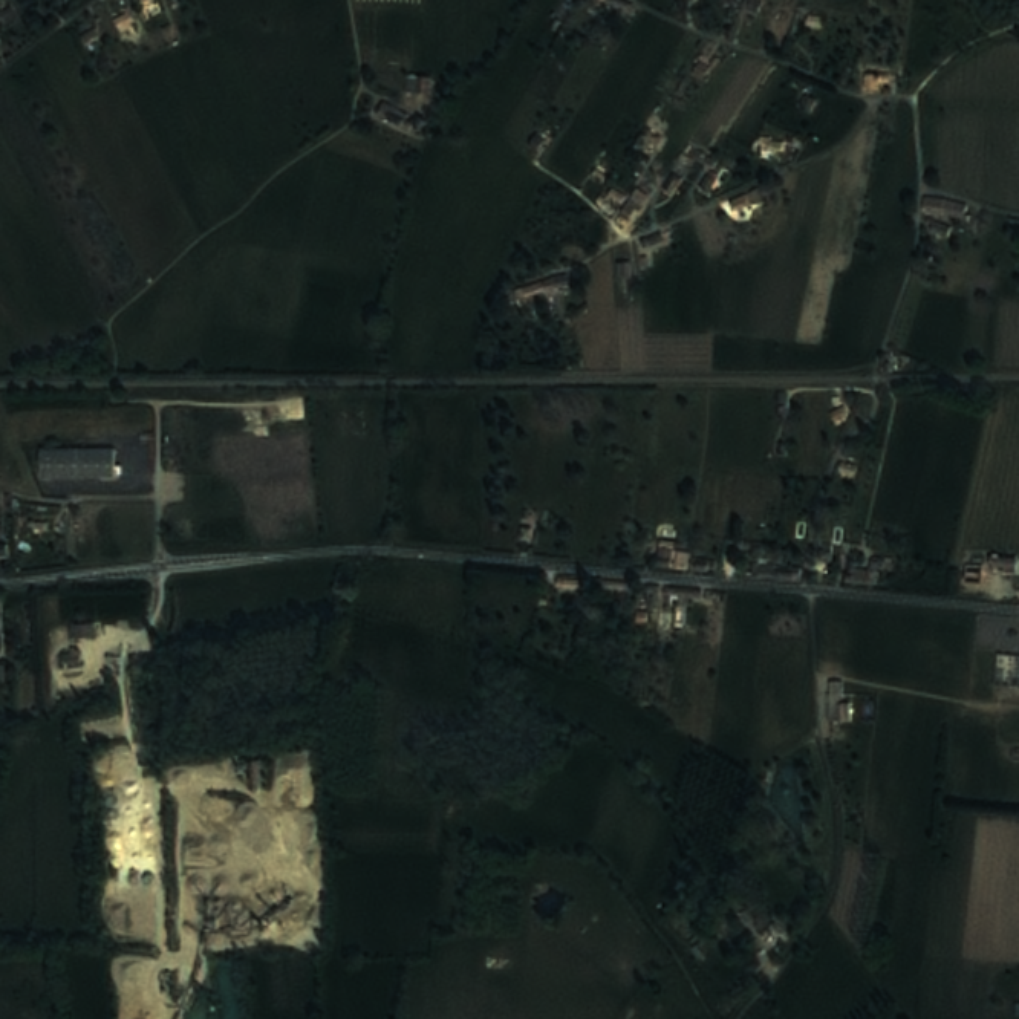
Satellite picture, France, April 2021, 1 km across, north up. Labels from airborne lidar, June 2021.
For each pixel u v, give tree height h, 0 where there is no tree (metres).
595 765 0
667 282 0
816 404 0
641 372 0
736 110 0
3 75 0
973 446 0
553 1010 0
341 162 0
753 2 0
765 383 0
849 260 0
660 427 0
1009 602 0
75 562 7
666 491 0
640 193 0
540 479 0
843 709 0
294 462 0
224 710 37
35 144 0
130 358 0
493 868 15
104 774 0
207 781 0
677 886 12
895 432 0
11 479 0
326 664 33
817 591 0
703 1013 0
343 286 0
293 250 0
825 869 0
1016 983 0
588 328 0
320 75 0
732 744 0
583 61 0
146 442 0
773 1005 10
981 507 0
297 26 0
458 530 0
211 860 0
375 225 0
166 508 0
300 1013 0
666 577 0
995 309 0
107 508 0
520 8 10
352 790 12
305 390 14
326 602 0
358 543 0
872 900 25
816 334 0
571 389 9
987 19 13
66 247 0
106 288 0
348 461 0
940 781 6
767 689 0
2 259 0
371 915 0
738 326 0
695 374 0
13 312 0
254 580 0
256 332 0
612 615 13
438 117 15
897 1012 16
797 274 0
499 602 0
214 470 0
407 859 0
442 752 24
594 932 0
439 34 0
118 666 0
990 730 0
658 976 10
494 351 17
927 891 0
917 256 9
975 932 0
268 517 0
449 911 0
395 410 15
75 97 0
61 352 19
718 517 0
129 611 0
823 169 0
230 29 0
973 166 0
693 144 0
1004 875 0
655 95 0
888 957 20
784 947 12
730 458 0
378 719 13
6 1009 0
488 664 23
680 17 6
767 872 0
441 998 0
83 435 0
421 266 0
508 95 0
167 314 0
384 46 0
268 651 38
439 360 0
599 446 0
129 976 0
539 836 0
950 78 0
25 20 11
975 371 16
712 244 0
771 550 9
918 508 0
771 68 0
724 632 0
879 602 0
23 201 0
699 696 0
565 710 0
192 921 0
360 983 0
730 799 17
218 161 0
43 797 0
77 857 8
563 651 9
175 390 0
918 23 0
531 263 11
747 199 0
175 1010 0
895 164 0
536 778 26
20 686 0
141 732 12
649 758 7
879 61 6
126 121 0
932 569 6
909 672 0
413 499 0
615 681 17
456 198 0
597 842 0
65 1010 13
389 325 20
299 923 0
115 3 0
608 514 0
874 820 0
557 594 9
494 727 25
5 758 18
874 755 0
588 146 0
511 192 0
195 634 13
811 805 10
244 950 8
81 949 14
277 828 0
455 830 0
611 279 0
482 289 0
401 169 16
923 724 0
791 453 11
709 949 0
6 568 10
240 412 0
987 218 13
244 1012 16
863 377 0
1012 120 0
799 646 0
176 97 0
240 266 0
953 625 0
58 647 0
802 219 0
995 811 12
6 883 0
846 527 0
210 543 0
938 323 0
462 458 0
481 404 0
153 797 0
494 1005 0
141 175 0
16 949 20
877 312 0
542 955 0
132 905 0
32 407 0
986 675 0
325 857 8
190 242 0
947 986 0
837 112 0
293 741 18
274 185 0
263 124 0
